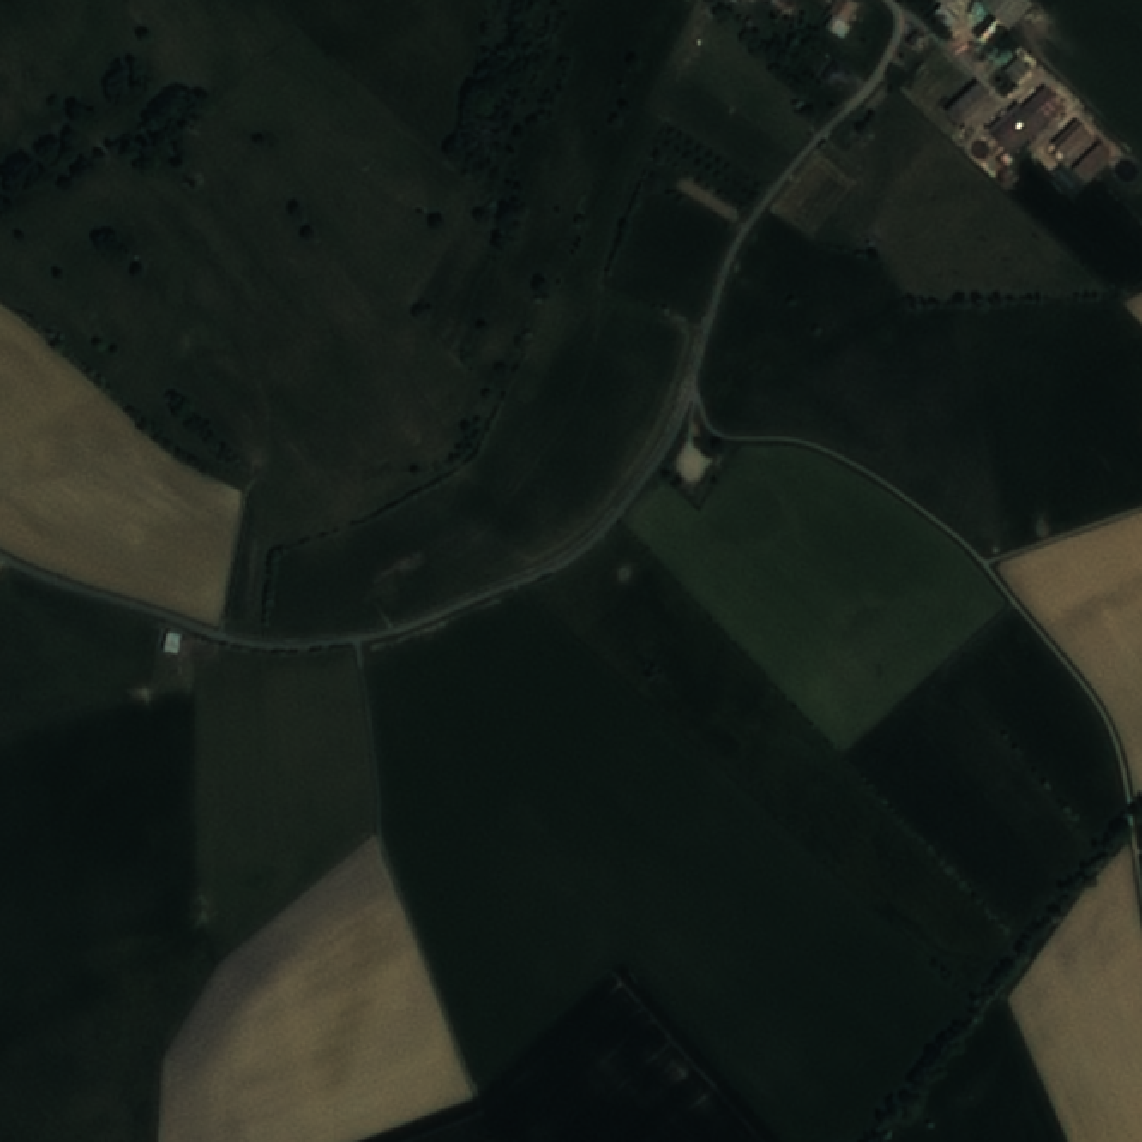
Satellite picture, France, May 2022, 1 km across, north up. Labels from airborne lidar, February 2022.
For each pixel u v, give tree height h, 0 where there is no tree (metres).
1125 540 0
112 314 0
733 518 0
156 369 0
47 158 15
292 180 0
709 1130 0
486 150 8
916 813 0
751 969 0
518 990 0
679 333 0
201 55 0
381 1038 0
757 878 0
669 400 0
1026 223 0
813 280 0
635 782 0
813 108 14
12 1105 0
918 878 0
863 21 0
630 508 0
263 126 0
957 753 0
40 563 0
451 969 0
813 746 0
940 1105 0
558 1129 0
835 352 0
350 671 0
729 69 0
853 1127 0
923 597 0
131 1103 0
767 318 0
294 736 0
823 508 0
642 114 0
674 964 0
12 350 0
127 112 0
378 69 0
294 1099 0
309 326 0
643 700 0
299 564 0
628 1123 0
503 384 0
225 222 0
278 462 0
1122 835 15
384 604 0
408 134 0
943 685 0
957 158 0
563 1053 0
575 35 0
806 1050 0
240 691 0
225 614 0
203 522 0
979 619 0
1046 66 0
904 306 10
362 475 0
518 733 0
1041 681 0
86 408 0
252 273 0
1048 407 0
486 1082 0
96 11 0
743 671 0
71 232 0
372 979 0
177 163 12
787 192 0
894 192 0
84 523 0
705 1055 0
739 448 0
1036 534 0
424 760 0
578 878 0
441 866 0
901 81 0
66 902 0
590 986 0
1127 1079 0
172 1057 0
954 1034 14
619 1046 0
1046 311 0
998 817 0
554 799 0
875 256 15
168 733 0
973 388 0
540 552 0
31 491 0
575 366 0
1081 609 0
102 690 0
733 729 0
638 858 0
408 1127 0
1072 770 0
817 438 0
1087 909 0
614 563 0
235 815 0
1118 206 0
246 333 0
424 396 0
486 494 0
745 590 0
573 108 0
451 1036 0
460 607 0
